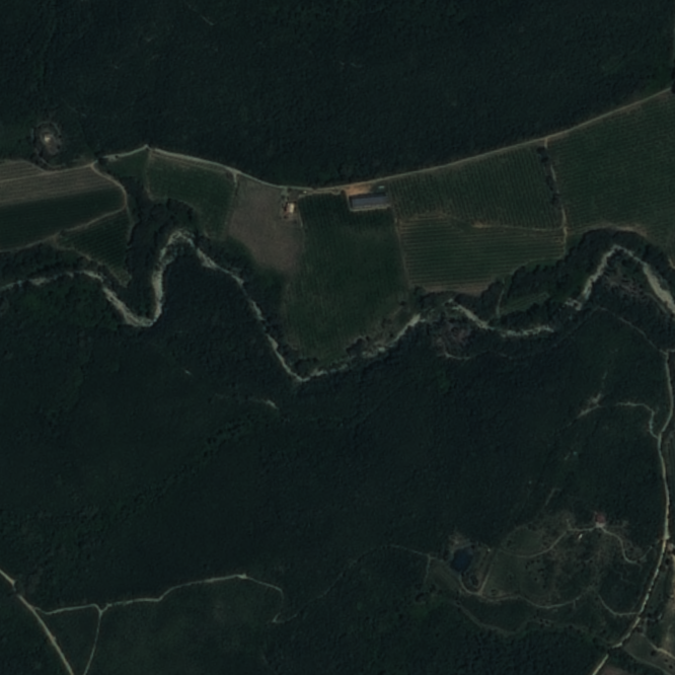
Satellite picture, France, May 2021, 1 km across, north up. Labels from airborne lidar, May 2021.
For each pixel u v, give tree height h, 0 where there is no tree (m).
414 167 8
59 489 8
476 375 11
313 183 11
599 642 10
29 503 6
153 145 11
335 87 6
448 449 7
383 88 8
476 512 10
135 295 9
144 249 19
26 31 10
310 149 6
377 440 9
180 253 8
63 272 21
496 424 11
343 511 7
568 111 11
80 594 6
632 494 7
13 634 6
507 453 10
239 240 0
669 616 0
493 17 9
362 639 8
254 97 9
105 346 7
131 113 8
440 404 12
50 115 12
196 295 7
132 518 6
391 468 7
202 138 9
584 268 20
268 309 15
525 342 17
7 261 8
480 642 17
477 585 9
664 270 17
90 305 8
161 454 6
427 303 24
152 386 6
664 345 12
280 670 9
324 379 12
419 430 8
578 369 8
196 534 6
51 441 7
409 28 5
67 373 6
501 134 8
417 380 9
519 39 6
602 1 8
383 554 10
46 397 7
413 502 8
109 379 7
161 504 7
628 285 18
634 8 8
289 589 6
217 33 6
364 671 12
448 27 7
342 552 9
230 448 6
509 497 7
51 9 11
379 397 7
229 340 10
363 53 7
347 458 13
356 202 0
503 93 9
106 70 10
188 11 8
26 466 6
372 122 8
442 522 7
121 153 10
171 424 6
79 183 0
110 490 5
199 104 8
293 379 19
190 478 6
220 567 5
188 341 13
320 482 8
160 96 8
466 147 13
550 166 13
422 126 8
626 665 7
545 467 7
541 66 10
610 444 6
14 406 6
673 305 0
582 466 6
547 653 14
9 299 9
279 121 10
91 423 6
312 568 7
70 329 8
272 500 7
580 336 7
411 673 7
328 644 10
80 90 8
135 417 6
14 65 13
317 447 9
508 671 12
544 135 9
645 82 16
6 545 8
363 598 6
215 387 6
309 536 8
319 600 6
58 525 8
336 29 10
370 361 8
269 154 13
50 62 7
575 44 12
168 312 12
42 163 12
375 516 8
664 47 7
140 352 6
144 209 19
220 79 9
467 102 9
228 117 8
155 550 6
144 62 6
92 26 6
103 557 7
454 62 8
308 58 6
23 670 10
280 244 0
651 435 6
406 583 8
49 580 9
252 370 10
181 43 6
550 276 14
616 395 6
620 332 7
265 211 0
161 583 5
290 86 7
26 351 7
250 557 5
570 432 7
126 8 6
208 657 5
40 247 9
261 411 7
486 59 9
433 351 11
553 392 7
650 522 7
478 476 7
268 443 5
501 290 15
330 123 12
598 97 12
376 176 14
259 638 6
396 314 0
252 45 6
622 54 8
